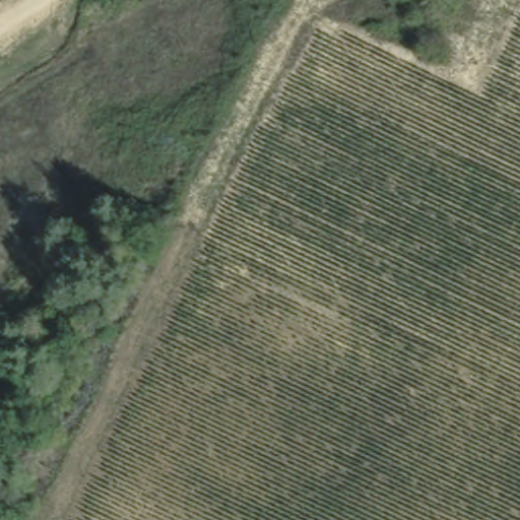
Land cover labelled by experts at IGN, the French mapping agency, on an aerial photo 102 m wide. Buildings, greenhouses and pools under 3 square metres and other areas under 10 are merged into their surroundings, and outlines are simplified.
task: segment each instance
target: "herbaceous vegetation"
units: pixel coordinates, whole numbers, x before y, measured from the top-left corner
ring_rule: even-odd
[[[353,26],[349,22],[335,22],[327,18],[319,22],[319,28],[323,33],[349,33],[366,41],[368,45],[384,49],[394,57],[408,61],[423,71],[429,71],[435,77],[453,81],[473,91],[475,95],[479,95],[485,89],[488,77],[498,69],[500,55],[506,49],[512,30],[520,18],[520,0],[469,0],[471,6],[477,8],[475,22],[471,24],[471,30],[449,37],[449,43],[453,47],[449,65],[427,63],[418,59],[412,51],[396,43],[386,43],[372,37],[362,26]]]
[[[124,333],[116,339],[116,349],[110,360],[110,374],[104,382],[104,388],[93,408],[89,408],[89,414],[75,437],[75,445],[71,447],[71,451],[51,449],[28,451],[24,461],[14,465],[10,481],[14,490],[20,490],[24,494],[30,492],[35,500],[33,510],[26,512],[30,520],[79,520],[81,498],[85,494],[87,483],[93,479],[93,475],[102,477],[102,455],[95,449],[95,441],[108,423],[110,400],[118,398],[118,394],[126,388],[128,368],[132,368],[132,360],[140,347],[138,337],[148,329],[148,323],[154,321],[156,309],[163,307],[167,293],[175,284],[175,272],[191,276],[197,260],[205,260],[207,238],[195,225],[205,215],[205,211],[201,209],[201,193],[207,189],[207,185],[225,187],[225,169],[232,160],[236,144],[240,142],[242,130],[250,124],[260,100],[274,81],[274,75],[280,71],[299,28],[309,18],[309,10],[313,6],[323,8],[335,0],[61,0],[49,18],[45,18],[37,28],[20,30],[18,43],[12,43],[10,53],[0,55],[0,351],[4,351],[16,349],[16,339],[4,335],[4,327],[10,323],[22,323],[33,309],[45,309],[45,295],[53,295],[53,290],[57,290],[55,278],[61,276],[61,258],[49,256],[49,250],[45,250],[45,236],[49,228],[57,223],[57,219],[71,217],[73,213],[87,213],[93,207],[100,207],[98,199],[104,195],[110,197],[116,187],[124,189],[130,195],[148,199],[154,191],[163,189],[163,183],[167,179],[173,179],[175,193],[179,197],[167,203],[167,217],[163,219],[165,230],[173,232],[173,242],[163,250],[163,258],[158,260],[158,264],[154,264],[154,274],[144,276],[142,288],[132,293],[138,299],[134,315],[126,321]]]

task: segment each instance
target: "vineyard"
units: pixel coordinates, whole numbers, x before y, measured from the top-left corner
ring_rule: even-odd
[[[95,449],[102,455],[102,477],[93,475],[93,479],[87,483],[85,494],[81,498],[79,520],[520,520],[520,18],[512,30],[506,49],[500,55],[498,69],[488,77],[485,89],[479,95],[475,95],[473,91],[453,81],[435,77],[429,71],[423,71],[408,61],[394,57],[384,49],[368,45],[366,41],[349,33],[323,33],[319,28],[319,22],[327,18],[323,8],[313,6],[309,10],[309,18],[299,28],[280,71],[274,75],[274,81],[260,100],[250,124],[242,130],[240,142],[236,144],[232,160],[225,169],[225,187],[207,185],[207,189],[201,193],[201,209],[205,211],[205,215],[195,225],[207,238],[205,260],[197,260],[191,276],[175,272],[175,284],[167,293],[163,307],[156,309],[154,321],[148,323],[148,329],[138,337],[140,347],[132,360],[132,368],[128,368],[126,388],[118,394],[118,398],[110,400],[108,423],[95,441]]]

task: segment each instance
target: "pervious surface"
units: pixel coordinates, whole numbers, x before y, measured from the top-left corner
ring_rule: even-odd
[[[61,0],[0,0],[0,55],[10,53],[12,43],[18,43],[20,30],[37,28],[45,18],[49,18]]]

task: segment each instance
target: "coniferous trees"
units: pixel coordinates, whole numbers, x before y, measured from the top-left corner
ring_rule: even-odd
[[[0,378],[0,408],[6,400],[16,398],[16,386],[10,380]]]
[[[89,414],[89,408],[93,408],[104,388],[104,382],[110,374],[110,360],[116,349],[116,339],[124,333],[126,321],[134,315],[138,299],[132,293],[142,288],[144,276],[154,274],[154,264],[138,262],[138,252],[126,248],[124,242],[134,234],[136,228],[156,223],[163,219],[167,217],[167,203],[179,197],[175,193],[173,179],[167,179],[163,183],[163,189],[154,191],[148,199],[130,195],[124,189],[116,187],[110,197],[104,195],[98,199],[100,207],[93,207],[87,213],[73,213],[71,217],[57,219],[57,223],[49,228],[45,236],[45,250],[49,250],[49,256],[61,258],[61,276],[55,278],[57,290],[53,290],[53,295],[45,295],[45,309],[33,309],[22,323],[10,323],[4,327],[4,335],[16,339],[16,349],[4,351],[6,358],[16,358],[16,372],[28,376],[26,388],[35,396],[33,404],[39,404],[41,410],[55,425],[51,449],[71,451],[71,447],[75,445],[75,437]]]
[[[24,494],[20,490],[14,490],[10,481],[14,465],[24,461],[28,451],[0,451],[0,500],[12,502]]]
[[[471,6],[469,0],[335,0],[323,8],[327,18],[335,22],[349,22],[353,26],[362,26],[372,37],[386,43],[396,43],[412,51],[418,59],[427,63],[449,65],[453,47],[449,43],[449,37],[471,30],[471,24],[475,22],[477,8]]]

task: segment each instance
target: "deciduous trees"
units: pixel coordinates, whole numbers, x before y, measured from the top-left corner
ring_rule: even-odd
[[[0,408],[0,451],[28,451],[51,449],[55,425],[41,410],[39,404],[33,404],[35,396],[26,388],[28,376],[16,372],[16,358],[6,358],[4,351],[0,351],[0,378],[10,380],[16,386],[16,398],[6,400]]]
[[[136,228],[134,234],[124,242],[126,248],[138,252],[138,262],[154,264],[158,264],[158,260],[163,258],[163,250],[173,242],[173,232],[165,230],[163,219],[156,223]]]
[[[24,494],[12,502],[0,500],[0,520],[30,520],[26,512],[33,510],[35,500],[30,492]]]

